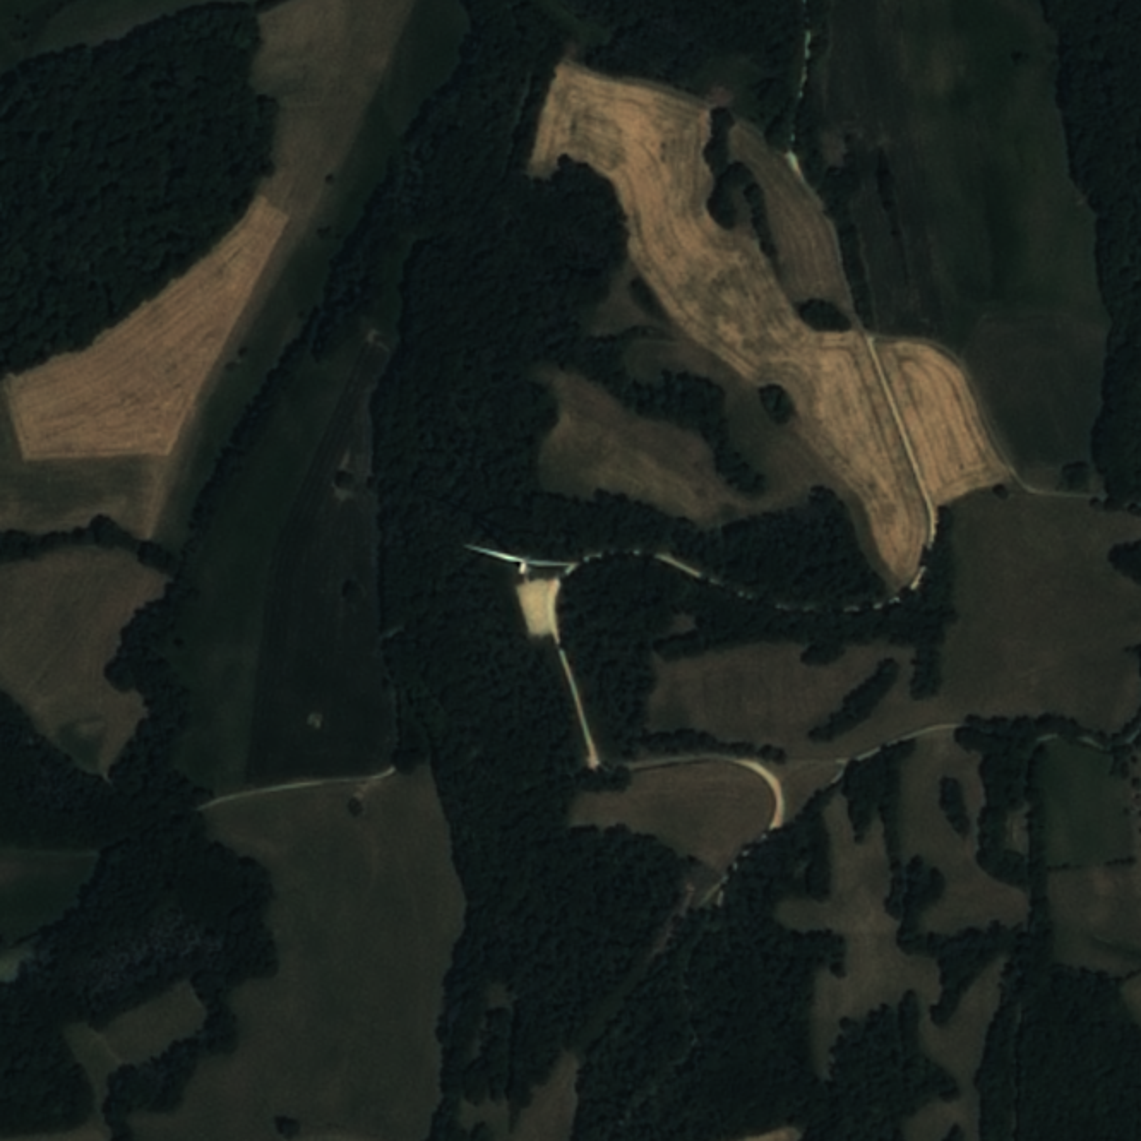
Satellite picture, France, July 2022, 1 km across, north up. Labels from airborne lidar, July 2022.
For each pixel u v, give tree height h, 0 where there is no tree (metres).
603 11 14
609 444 0
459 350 21
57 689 0
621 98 0
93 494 0
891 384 0
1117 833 0
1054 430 0
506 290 23
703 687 0
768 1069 20
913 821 0
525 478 16
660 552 18
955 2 0
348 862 0
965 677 0
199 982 22
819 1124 11
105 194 27
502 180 16
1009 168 0
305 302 0
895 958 0
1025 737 16
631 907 16
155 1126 0
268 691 0
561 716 15
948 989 11
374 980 0
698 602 19
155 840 21
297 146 0
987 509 0
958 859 0
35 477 0
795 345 0
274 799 0
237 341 0
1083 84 23
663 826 0
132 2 0
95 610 0
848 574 19
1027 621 0
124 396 0
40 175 22
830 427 0
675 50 15
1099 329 0
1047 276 0
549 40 11
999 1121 16
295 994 0
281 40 0
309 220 0
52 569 0
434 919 0
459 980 17
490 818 18
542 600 0
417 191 32
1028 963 16
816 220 0
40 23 0
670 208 0
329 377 0
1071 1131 13
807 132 14
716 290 0
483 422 19
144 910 25
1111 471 16
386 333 0
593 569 21
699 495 0
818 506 14
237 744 0
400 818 0
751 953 17
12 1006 23
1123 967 0
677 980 13
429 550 22
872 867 0
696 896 0
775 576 21
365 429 0
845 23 0
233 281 0
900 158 0
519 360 26
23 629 0
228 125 23
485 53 25
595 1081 17
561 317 21
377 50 0
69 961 23
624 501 15
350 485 10
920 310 0
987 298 0
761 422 0
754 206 13
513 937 17
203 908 12
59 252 29
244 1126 0
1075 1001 13
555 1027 17
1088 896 0
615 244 19
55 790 24
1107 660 0
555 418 19
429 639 19
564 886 20
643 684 13
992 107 0
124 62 26
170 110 24
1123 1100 20
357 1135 0
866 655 0
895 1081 15
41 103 23
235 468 18
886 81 0
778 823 0
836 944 16
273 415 16
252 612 0
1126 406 15
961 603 0
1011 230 0
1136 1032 15
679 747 9
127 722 0
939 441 0
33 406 0
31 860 0
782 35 10
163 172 24
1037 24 0
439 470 18
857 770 16
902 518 0
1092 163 24
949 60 0
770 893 17
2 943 17
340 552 0
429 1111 0
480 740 17
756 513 0
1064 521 0
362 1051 0
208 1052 10
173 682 16
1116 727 0
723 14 14
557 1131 0
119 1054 0
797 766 0
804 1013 17
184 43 22
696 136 0
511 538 18
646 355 0
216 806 0
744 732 0
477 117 16
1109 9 16
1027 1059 12
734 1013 18
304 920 0
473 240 22
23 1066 21
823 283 0
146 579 0
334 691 0
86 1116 12
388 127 0
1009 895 0
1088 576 0
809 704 0
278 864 0
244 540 0
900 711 0
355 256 22
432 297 24
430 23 0
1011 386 0
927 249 0
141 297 16
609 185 14
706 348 0
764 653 0
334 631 0
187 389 0
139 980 25
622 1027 12
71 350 12
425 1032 0
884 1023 18
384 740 0
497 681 12
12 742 21
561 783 15
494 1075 15
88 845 14
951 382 0
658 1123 15
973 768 0
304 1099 0
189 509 0
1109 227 20
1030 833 10
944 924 0
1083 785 0
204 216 23
